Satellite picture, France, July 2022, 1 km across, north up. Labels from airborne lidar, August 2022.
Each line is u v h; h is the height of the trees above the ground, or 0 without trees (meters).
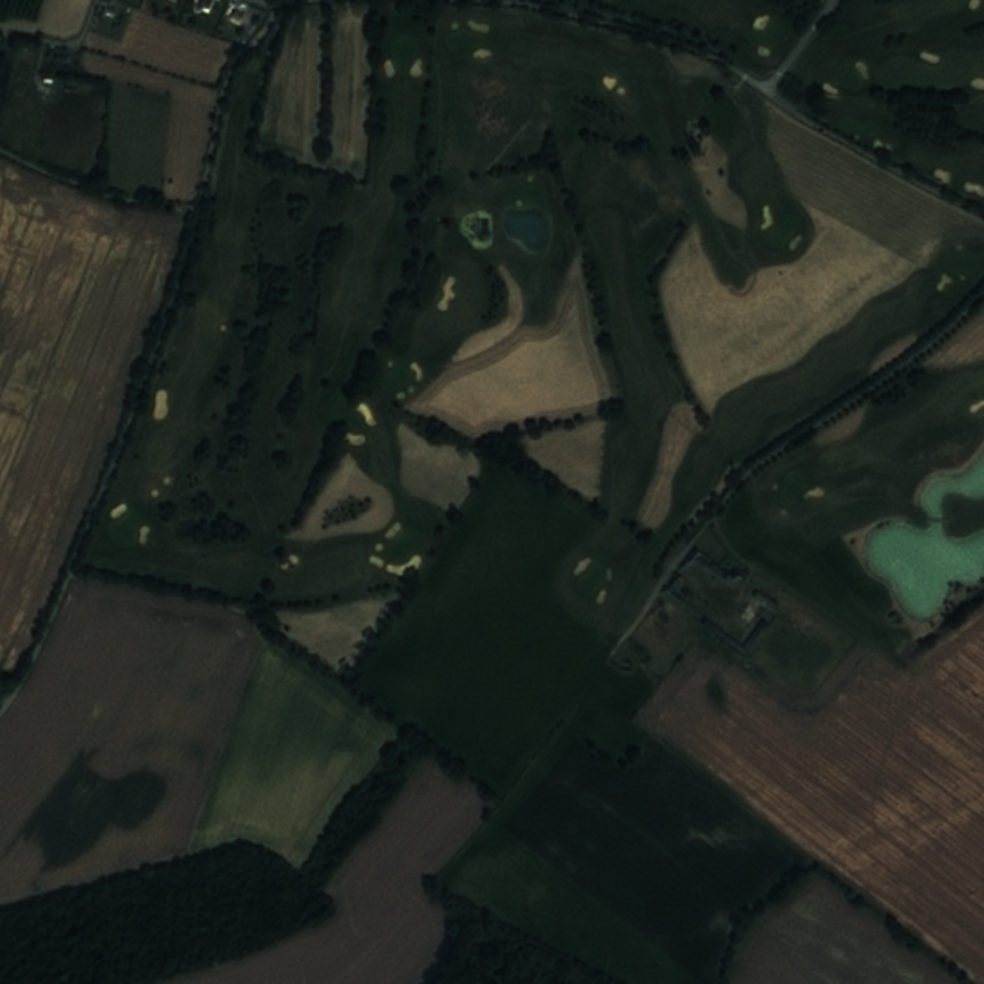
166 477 0
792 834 0
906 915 0
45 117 0
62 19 0
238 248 0
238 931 13
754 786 0
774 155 0
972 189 0
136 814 0
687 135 9
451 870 0
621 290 0
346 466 0
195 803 0
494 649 0
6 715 0
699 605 0
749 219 0
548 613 0
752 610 0
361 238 0
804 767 0
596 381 0
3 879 0
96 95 0
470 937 31
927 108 18
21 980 15
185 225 9
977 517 0
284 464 12
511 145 0
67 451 0
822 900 0
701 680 0
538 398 0
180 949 14
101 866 0
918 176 7
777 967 0
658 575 8
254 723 0
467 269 0
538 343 0
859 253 0
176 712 0
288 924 12
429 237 0
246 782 0
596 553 0
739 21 0
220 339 0
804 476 0
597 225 0
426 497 0
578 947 0
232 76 7
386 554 0
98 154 8
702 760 0
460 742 0
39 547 0
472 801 0
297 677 0
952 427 0
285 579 0
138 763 0
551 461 0
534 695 0
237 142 0
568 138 0
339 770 0
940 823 0
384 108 8
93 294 0
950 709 0
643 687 0
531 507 0
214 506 13
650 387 0
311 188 0
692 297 0
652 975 0
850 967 0
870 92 11
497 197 0
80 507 0
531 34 0
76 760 0
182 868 18
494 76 0
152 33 0
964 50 0
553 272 0
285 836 0
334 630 0
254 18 8
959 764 0
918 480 0
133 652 0
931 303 0
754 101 0
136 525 0
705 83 0
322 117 14
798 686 0
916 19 0
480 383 0
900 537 0
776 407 0
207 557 0
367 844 0
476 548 0
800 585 0
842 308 0
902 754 0
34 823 0
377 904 0
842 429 0
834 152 0
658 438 0
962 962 0
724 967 12
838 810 0
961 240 0
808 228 0
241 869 21
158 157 0
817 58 0
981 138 9
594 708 0
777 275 0
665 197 0
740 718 0
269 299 9
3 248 0
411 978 0
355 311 0
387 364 0
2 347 0
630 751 11
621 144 14
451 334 0
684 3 0
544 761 0
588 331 0
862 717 0
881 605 0
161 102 0
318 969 0
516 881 0
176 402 0
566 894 0
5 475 0
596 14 6
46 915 20
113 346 0
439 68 0
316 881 9
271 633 16
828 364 0
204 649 0
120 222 0
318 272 10
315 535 0
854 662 0
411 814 0
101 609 0
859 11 0
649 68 0
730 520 0
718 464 0
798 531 0
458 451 13
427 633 0
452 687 0
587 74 0
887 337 0
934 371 0
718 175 6
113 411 0
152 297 0
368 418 0
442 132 0
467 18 0
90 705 0
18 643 0
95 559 0
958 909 0
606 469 0
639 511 0
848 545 0
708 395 0
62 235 0
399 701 0
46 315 0
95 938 23
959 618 19
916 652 8
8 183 0
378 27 15
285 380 0
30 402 0
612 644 0
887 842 0
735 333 0
